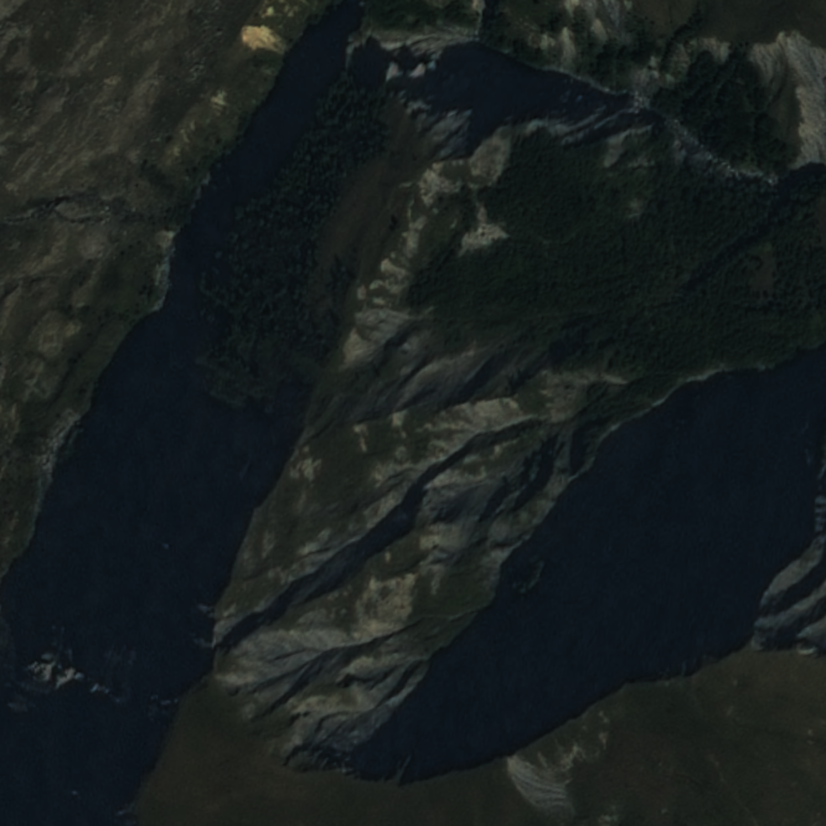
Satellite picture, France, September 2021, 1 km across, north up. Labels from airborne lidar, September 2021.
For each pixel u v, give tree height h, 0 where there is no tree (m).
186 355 0
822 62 0
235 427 0
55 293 0
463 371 0
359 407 0
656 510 7
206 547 0
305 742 0
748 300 10
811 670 0
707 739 0
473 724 0
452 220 0
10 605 0
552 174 11
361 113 8
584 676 0
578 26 9
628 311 8
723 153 18
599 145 7
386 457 0
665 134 9
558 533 0
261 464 0
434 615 0
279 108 0
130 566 0
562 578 0
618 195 16
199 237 7
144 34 0
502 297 11
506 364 0
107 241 0
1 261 0
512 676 0
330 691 0
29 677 0
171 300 0
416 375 0
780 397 0
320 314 0
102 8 0
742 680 0
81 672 0
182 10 0
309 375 0
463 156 0
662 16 0
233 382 0
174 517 0
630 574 0
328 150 9
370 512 0
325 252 0
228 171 7
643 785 0
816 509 0
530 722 0
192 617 0
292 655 0
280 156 0
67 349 0
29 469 0
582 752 0
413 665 0
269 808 0
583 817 0
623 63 14
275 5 0
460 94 0
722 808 0
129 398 0
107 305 0
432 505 0
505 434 0
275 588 0
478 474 0
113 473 0
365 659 0
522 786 0
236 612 0
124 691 0
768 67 0
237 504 0
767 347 7
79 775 0
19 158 0
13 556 0
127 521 0
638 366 9
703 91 19
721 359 8
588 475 0
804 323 9
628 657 0
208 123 0
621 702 0
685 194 21
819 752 0
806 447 0
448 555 0
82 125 0
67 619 0
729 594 0
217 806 0
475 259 9
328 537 0
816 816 0
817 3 0
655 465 10
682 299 8
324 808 0
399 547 0
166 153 0
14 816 0
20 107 0
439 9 7
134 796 0
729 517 0
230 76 0
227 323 7
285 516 0
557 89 0
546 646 0
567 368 10
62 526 0
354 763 0
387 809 0
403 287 0
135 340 6
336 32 0
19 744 0
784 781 0
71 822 0
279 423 0
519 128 0
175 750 0
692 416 9
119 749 0
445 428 0
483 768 0
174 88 0
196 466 0
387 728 0
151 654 0
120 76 0
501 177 7
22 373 0
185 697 0
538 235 7
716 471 6
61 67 0
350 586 0
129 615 0
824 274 6
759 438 0
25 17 0
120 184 0
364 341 0
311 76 0
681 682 0
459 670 0
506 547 0
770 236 12
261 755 0
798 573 0
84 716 0
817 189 14
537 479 0
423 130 0
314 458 0
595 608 0
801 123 0
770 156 20
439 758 0
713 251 11
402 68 0
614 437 0
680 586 0
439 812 0
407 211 0
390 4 10
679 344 11
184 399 0
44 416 0
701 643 0
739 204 11
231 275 12
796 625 0
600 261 13
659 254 12
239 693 0
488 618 0
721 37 0
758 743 0
